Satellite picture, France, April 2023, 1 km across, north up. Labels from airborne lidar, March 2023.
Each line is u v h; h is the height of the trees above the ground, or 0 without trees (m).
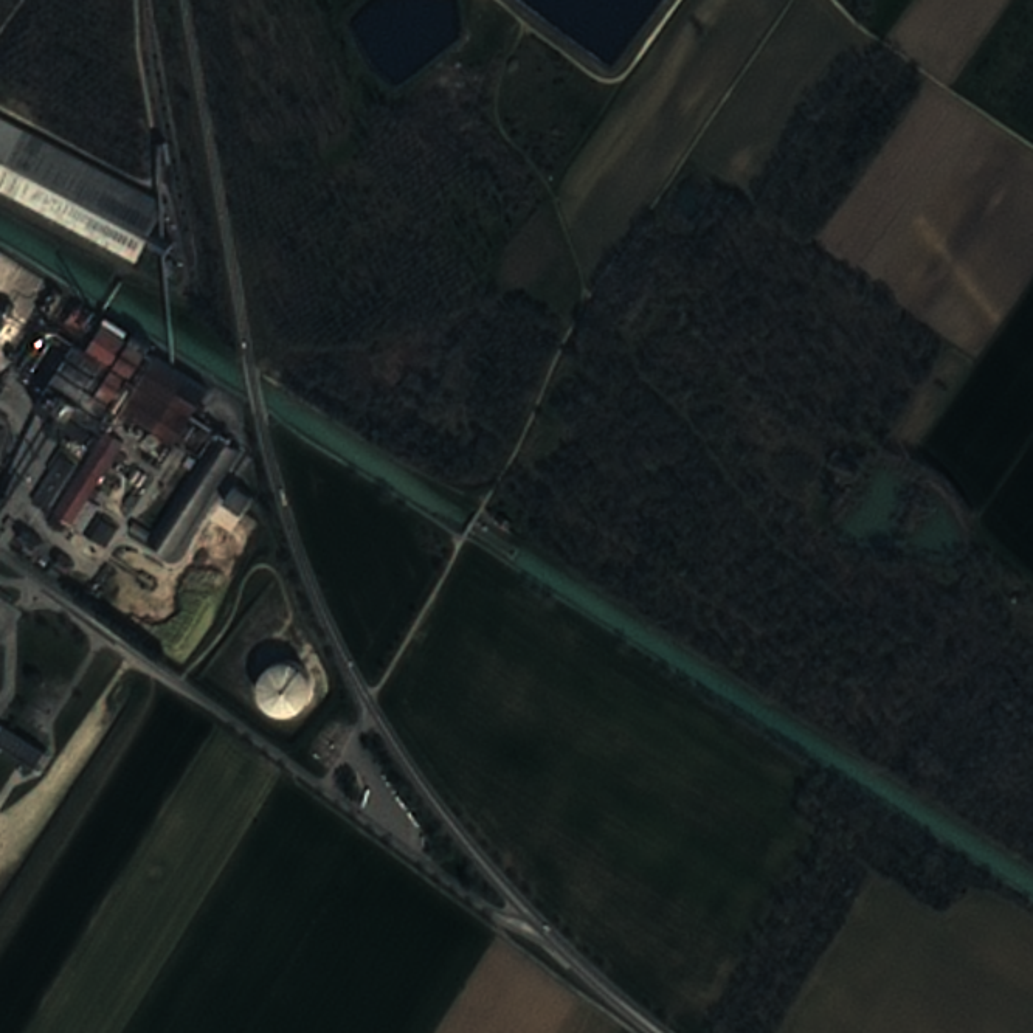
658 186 0
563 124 0
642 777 0
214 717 0
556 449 0
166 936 0
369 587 0
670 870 0
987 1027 0
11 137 0
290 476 0
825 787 14
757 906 0
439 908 0
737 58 0
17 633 0
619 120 0
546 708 0
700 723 0
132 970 0
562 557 7
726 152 0
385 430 17
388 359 0
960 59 0
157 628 0
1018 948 0
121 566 0
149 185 0
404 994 0
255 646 0
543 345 18
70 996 0
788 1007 15
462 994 0
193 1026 0
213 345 0
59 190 0
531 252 0
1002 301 0
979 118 0
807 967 13
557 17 0
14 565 0
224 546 0
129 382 0
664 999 0
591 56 0
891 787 0
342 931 0
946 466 0
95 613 16
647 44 0
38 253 0
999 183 0
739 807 0
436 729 0
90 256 0
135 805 0
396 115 27
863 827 19
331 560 0
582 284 0
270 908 0
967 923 0
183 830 0
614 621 0
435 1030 0
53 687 0
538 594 8
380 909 0
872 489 0
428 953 0
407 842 0
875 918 0
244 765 0
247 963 0
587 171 0
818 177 25
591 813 0
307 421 0
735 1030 20
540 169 12
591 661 0
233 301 0
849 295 26
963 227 0
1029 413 0
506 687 0
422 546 0
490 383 17
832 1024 0
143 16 0
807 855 0
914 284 0
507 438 18
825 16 0
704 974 0
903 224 0
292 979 0
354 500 0
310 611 11
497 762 0
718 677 0
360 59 0
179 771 0
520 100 0
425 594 0
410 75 0
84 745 0
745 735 0
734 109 0
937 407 0
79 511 0
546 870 0
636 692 0
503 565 0
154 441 0
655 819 0
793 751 14
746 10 0
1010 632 17
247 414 0
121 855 0
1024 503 0
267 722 0
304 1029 0
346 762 0
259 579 0
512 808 0
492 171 6
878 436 25
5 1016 0
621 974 0
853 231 0
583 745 0
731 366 8
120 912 0
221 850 0
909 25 0
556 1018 0
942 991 0
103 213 0
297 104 33
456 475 15
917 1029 0
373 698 0
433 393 24
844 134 20
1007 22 0
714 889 0
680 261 23
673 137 0
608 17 0
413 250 18
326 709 0
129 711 0
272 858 0
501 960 0
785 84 0
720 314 20
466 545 0
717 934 0
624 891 0
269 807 0
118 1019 0
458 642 0
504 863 12
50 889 0
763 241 21
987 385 0
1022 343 0
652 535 13
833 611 12
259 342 0
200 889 0
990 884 13
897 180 0
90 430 0
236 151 33
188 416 0
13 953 0
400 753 0
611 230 0
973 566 15
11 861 0
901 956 0
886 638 20
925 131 0
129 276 0
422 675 0
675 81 0
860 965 0
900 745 21
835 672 20
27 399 0
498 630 0
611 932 0
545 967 0
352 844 0
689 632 16
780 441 0
